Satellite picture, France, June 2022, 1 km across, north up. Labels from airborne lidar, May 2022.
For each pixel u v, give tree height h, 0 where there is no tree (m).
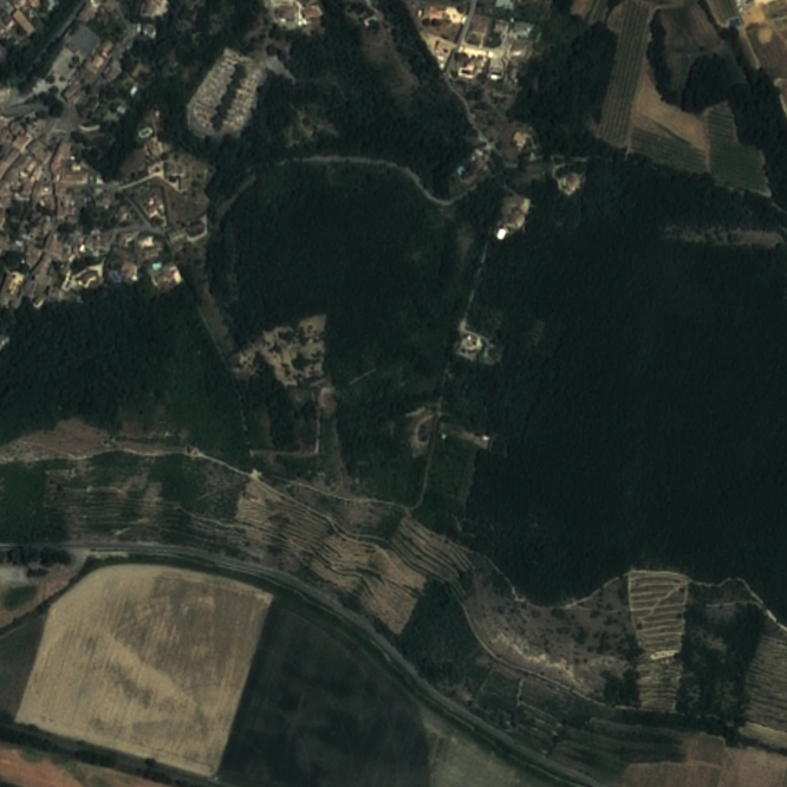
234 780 0
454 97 6
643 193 11
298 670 0
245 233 9
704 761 0
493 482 8
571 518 5
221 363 7
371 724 0
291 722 0
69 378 15
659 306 7
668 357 9
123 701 0
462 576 12
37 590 0
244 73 9
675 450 9
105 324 14
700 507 8
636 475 7
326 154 7
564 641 0
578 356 8
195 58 10
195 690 0
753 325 7
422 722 0
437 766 0
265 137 8
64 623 0
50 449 0
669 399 9
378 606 0
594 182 6
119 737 0
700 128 0
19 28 8
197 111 0
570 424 8
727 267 8
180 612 0
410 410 6
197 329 8
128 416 0
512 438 7
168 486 8
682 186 13
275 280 6
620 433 7
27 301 14
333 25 11
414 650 7
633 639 7
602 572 8
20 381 16
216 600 0
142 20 10
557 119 14
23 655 0
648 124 0
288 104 7
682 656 7
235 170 10
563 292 8
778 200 12
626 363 9
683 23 0
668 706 0
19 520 9
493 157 8
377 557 0
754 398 8
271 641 0
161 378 6
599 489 7
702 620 5
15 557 22
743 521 8
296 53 15
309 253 8
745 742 7
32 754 0
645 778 0
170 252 12
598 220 6
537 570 11
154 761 13
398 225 8
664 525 10
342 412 9
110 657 0
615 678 7
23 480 6
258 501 0
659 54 18
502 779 0
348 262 8
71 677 0
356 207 8
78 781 0
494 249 6
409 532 0
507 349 9
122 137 14
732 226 13
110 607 0
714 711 8
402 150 15
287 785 0
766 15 0
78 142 10
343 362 9
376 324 10
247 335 8
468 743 0
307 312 10
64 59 0
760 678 0
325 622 0
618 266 7
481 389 7
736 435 8
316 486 0
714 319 10
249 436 7
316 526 0
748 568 8
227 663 0
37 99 7
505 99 7
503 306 9
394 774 0
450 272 10
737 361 8
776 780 0
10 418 9
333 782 0
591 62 8
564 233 6
